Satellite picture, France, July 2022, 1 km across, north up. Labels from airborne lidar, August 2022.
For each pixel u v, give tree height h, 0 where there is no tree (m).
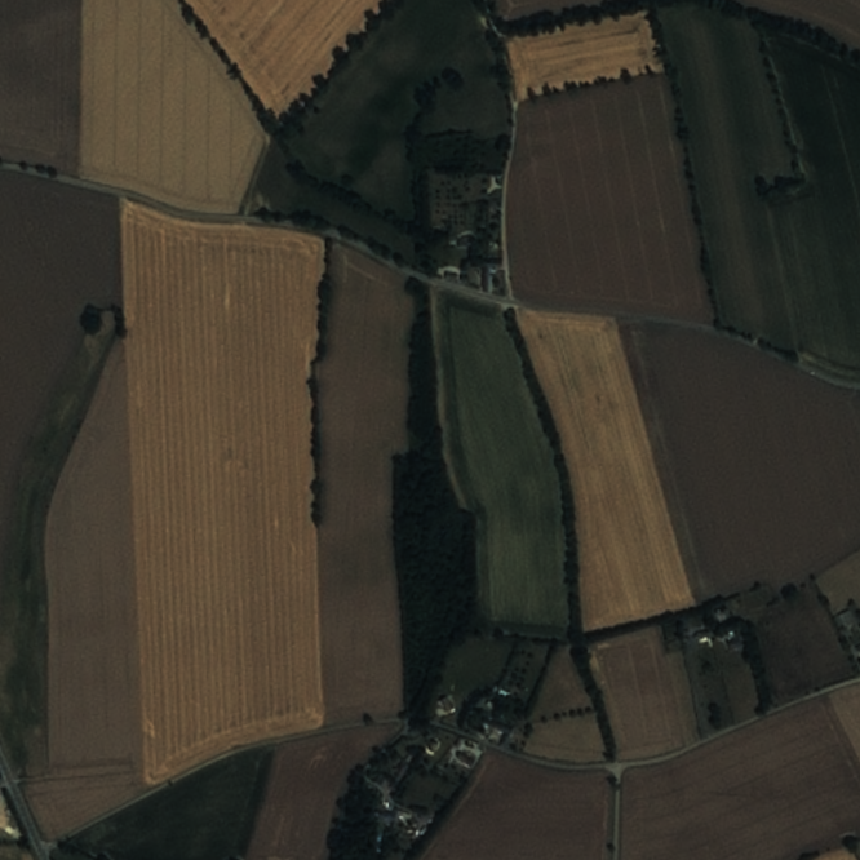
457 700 0
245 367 0
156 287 0
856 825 0
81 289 0
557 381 0
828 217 0
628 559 0
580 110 0
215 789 0
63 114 0
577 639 17
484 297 0
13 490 0
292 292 0
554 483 0
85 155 0
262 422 0
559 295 0
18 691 0
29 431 0
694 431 0
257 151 0
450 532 12
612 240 0
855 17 0
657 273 0
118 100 0
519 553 0
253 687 0
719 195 0
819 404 0
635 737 0
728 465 0
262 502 0
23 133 0
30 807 0
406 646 7
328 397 0
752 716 0
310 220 18
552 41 0
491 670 0
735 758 0
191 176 0
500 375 0
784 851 0
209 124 0
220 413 0
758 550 0
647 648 0
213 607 0
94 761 0
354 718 0
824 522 0
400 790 12
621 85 0
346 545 0
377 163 0
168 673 0
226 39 0
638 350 0
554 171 0
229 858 0
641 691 0
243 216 0
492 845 0
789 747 0
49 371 0
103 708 0
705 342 0
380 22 16
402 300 0
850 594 0
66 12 0
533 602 0
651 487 0
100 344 0
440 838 0
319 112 9
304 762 0
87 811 0
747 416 0
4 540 0
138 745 0
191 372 0
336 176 0
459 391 0
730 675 0
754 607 0
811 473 0
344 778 0
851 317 0
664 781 0
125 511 0
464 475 0
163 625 0
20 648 0
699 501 0
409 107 0
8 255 0
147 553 0
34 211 0
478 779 0
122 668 0
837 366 0
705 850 0
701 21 0
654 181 0
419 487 8
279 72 0
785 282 0
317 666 0
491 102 0
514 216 0
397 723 0
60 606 0
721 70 0
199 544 0
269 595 0
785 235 0
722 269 0
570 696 0
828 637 0
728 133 0
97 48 0
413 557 9
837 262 0
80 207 0
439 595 9
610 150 0
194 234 0
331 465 0
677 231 0
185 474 0
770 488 0
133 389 0
